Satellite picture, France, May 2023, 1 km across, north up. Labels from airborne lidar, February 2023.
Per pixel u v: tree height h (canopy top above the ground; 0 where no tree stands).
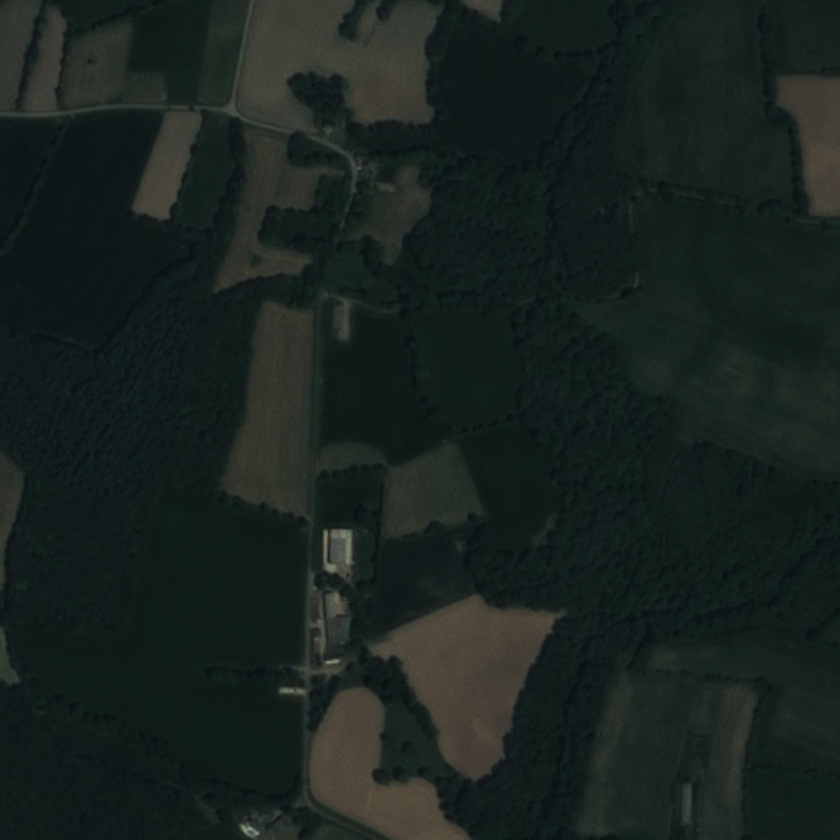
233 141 17
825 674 0
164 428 18
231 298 17
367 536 0
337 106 25
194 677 0
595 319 0
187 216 0
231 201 17
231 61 0
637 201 11
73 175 0
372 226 0
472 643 0
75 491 14
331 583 12
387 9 12
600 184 17
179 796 18
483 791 17
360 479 12
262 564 0
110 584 19
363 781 0
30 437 16
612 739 0
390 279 16
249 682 14
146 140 0
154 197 0
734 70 0
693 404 0
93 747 0
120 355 12
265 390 0
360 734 0
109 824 21
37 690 19
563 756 8
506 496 0
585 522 0
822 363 0
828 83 0
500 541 0
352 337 0
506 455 0
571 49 0
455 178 21
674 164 0
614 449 15
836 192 0
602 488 7
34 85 0
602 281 17
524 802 15
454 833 0
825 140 0
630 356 0
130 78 0
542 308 17
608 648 17
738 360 0
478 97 0
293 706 0
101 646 0
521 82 0
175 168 0
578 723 18
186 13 0
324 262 14
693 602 13
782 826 0
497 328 0
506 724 0
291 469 0
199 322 23
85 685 0
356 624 16
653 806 0
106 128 0
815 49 0
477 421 0
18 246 0
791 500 0
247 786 0
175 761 10
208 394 24
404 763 0
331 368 0
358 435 0
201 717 0
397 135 19
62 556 18
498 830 18
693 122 0
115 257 0
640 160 0
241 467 0
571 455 12
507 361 0
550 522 0
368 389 0
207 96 0
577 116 14
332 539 0
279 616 0
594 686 19
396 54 0
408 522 0
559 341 9
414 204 0
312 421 0
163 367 7
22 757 19
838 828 0
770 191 0
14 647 15
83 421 15
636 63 8
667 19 8
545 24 0
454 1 15
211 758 0
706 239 0
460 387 0
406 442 0
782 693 0
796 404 0
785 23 0
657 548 7
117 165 0
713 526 7
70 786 22
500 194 8
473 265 9
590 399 7
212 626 0
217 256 15
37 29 9
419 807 0
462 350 0
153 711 0
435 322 0
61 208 0
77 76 0
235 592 0
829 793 0
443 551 0
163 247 0
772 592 6
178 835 19
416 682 0
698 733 0
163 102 0
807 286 0
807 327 0
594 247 21
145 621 0
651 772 0
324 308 0
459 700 0
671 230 0
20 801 19
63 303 0
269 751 0
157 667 0
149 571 0
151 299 17
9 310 0
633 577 13
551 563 18
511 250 11
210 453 20
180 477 24
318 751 0
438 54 18
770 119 11
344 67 0
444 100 0
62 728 0
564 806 20
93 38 0
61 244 0
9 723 20
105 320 0
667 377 0
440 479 0
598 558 8
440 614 0
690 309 0
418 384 14
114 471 13
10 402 15
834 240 0
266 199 0
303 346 0
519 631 0
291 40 0
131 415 15
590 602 8
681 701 0
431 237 11
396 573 0
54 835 17
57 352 19
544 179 17
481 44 0
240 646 0
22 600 19
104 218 0
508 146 0
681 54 0
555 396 12
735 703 0
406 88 0
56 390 23
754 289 0
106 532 17
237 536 0
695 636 9
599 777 0
